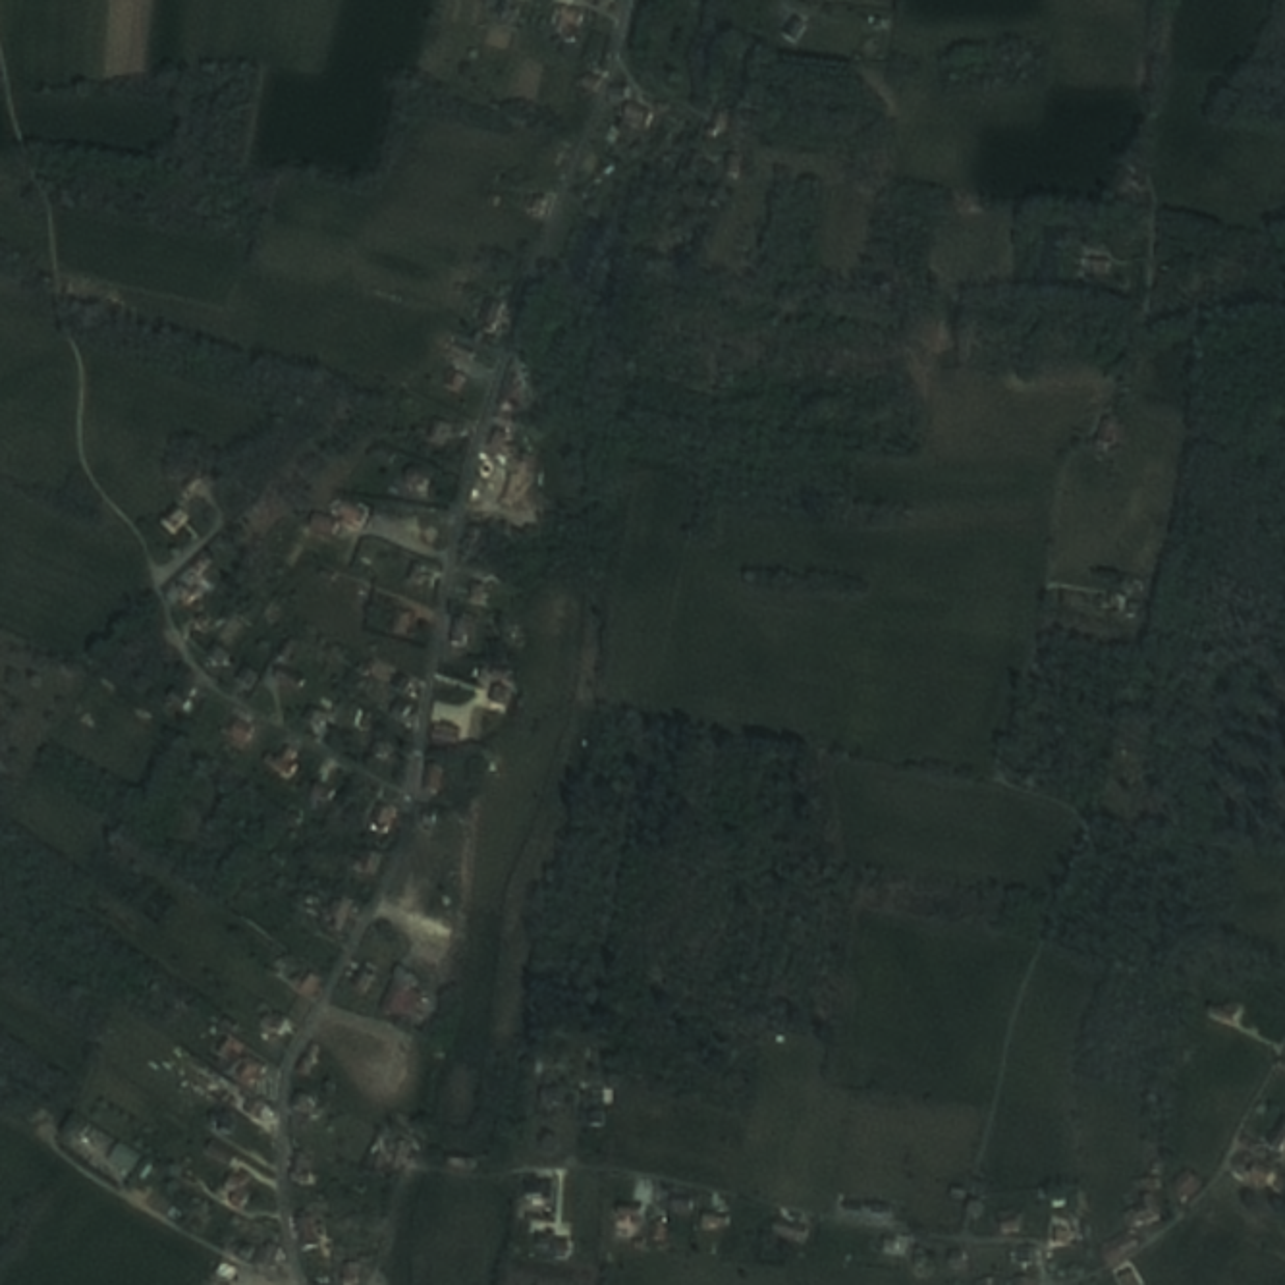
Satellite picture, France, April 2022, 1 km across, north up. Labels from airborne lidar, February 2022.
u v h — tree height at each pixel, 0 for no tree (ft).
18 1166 0
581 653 0
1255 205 0
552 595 0
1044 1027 0
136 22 0
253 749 0
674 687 0
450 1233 0
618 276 81
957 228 0
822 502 68
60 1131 30
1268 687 92
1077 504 0
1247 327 79
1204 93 0
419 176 0
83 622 0
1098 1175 0
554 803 0
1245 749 105
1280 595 81
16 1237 32
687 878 28
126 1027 0
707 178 26
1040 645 33
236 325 0
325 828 23
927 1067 0
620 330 97
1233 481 78
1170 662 72
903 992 0
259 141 0
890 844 0
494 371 0
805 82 39
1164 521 0
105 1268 0
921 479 0
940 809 0
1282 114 73
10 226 0
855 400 40
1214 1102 0
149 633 54
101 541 0
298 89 0
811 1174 0
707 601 0
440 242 0
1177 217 38
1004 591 0
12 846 62
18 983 48
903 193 34
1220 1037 0
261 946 0
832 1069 28
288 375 70
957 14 0
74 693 0
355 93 0
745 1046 37
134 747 0
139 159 50
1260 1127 0
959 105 0
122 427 0
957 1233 0
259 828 40
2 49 0
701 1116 0
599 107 0
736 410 64
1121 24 0
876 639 0
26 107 0
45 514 0
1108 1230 0
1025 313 66
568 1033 29
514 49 0
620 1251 0
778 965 51
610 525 21
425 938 0
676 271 53
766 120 52
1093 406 49
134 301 0
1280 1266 0
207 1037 0
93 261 0
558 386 85
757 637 0
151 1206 0
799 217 55
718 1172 0
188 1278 0
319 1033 0
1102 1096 0
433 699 0
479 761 47
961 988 0
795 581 39
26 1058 48
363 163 0
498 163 0
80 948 71
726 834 32
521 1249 0
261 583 43
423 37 0
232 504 28
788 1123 0
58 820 0
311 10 0
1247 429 86
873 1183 0
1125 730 79
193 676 41
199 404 0
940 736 0
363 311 0
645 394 22
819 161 0
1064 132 0
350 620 0
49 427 0
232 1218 20
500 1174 0
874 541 0
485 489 0
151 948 0
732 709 0
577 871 62
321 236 0
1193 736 71
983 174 0
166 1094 0
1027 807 0
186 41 0
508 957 0
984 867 0
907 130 0
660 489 0
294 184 0
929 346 60
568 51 33
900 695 0
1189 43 0
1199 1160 0
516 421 38
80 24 0
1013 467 0
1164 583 50
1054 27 0
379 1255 0
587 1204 0
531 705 0
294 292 0
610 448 68
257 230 45
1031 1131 0
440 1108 0
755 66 58
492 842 0
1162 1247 0
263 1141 0
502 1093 21
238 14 0
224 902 36
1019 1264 0
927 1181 0
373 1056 0
